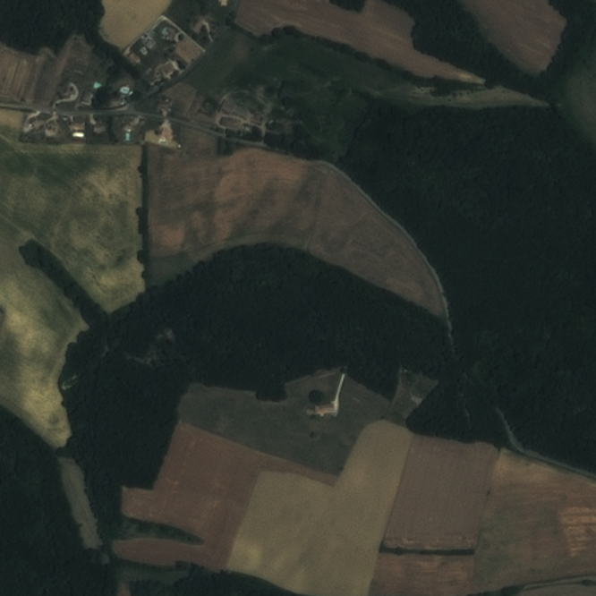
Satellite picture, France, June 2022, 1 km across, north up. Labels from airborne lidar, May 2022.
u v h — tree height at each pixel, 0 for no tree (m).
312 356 16
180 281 20
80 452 21
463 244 13
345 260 0
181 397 9
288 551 0
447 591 0
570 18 20
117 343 25
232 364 16
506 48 0
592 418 16
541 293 19
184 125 0
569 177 22
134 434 18
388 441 0
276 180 0
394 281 0
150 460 14
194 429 0
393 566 0
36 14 12
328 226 0
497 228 19
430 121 16
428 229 12
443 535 0
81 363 17
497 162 17
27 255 19
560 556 0
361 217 0
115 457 16
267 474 0
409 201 13
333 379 0
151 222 0
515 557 0
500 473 0
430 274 0
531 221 24
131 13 0
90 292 0
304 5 0
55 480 14
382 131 9
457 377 13
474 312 22
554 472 0
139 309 19
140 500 0
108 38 0
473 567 0
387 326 20
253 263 14
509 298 16
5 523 11
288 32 21
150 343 21
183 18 0
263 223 0
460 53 17
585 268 24
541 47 0
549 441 15
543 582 0
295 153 15
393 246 0
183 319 16
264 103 0
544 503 0
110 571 20
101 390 23
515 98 0
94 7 14
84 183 0
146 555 0
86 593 25
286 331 17
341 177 0
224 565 0
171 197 0
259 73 0
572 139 23
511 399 25
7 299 0
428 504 0
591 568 0
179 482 0
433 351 22
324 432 0
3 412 8
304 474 0
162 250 0
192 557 0
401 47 0
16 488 16
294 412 0
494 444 12
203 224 0
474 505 0
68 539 20
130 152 0
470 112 12
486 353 18
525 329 21
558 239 23
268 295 15
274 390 17
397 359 16
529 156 19
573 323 20
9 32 21
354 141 8
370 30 0
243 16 0
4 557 10
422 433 10
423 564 0
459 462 0
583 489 0
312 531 0
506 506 0
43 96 0
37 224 0
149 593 11
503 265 21
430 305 0
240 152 0
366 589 0
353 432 0
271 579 0
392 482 0
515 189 21
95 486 20
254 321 17
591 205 21
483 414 15
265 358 19
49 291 0
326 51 0
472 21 20
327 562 0
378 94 0
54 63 0
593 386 16
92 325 20
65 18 12
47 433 0
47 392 0
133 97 11
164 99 6
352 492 0
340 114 0
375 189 10
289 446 0
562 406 16
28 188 0
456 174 17
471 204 20
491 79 14
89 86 0
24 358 0
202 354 20
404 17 0
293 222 0
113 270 0
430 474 0
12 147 0
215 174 0
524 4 0
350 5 15
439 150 20
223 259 13
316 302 20
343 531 0
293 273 14
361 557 0
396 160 13
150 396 13
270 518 0
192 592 15
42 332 0
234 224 0
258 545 0
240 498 0
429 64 0
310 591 0
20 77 0
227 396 0
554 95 20
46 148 0
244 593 8
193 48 0
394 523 0
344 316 19
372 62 9
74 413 20
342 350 11
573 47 20
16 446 24
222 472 0
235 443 0
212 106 0
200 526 0
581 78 0
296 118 15
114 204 0
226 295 17
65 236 0
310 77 0
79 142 0
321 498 0
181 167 0
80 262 0
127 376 23
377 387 14
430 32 20
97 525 8
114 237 0
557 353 19
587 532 0
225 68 0
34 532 16
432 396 15
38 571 14
